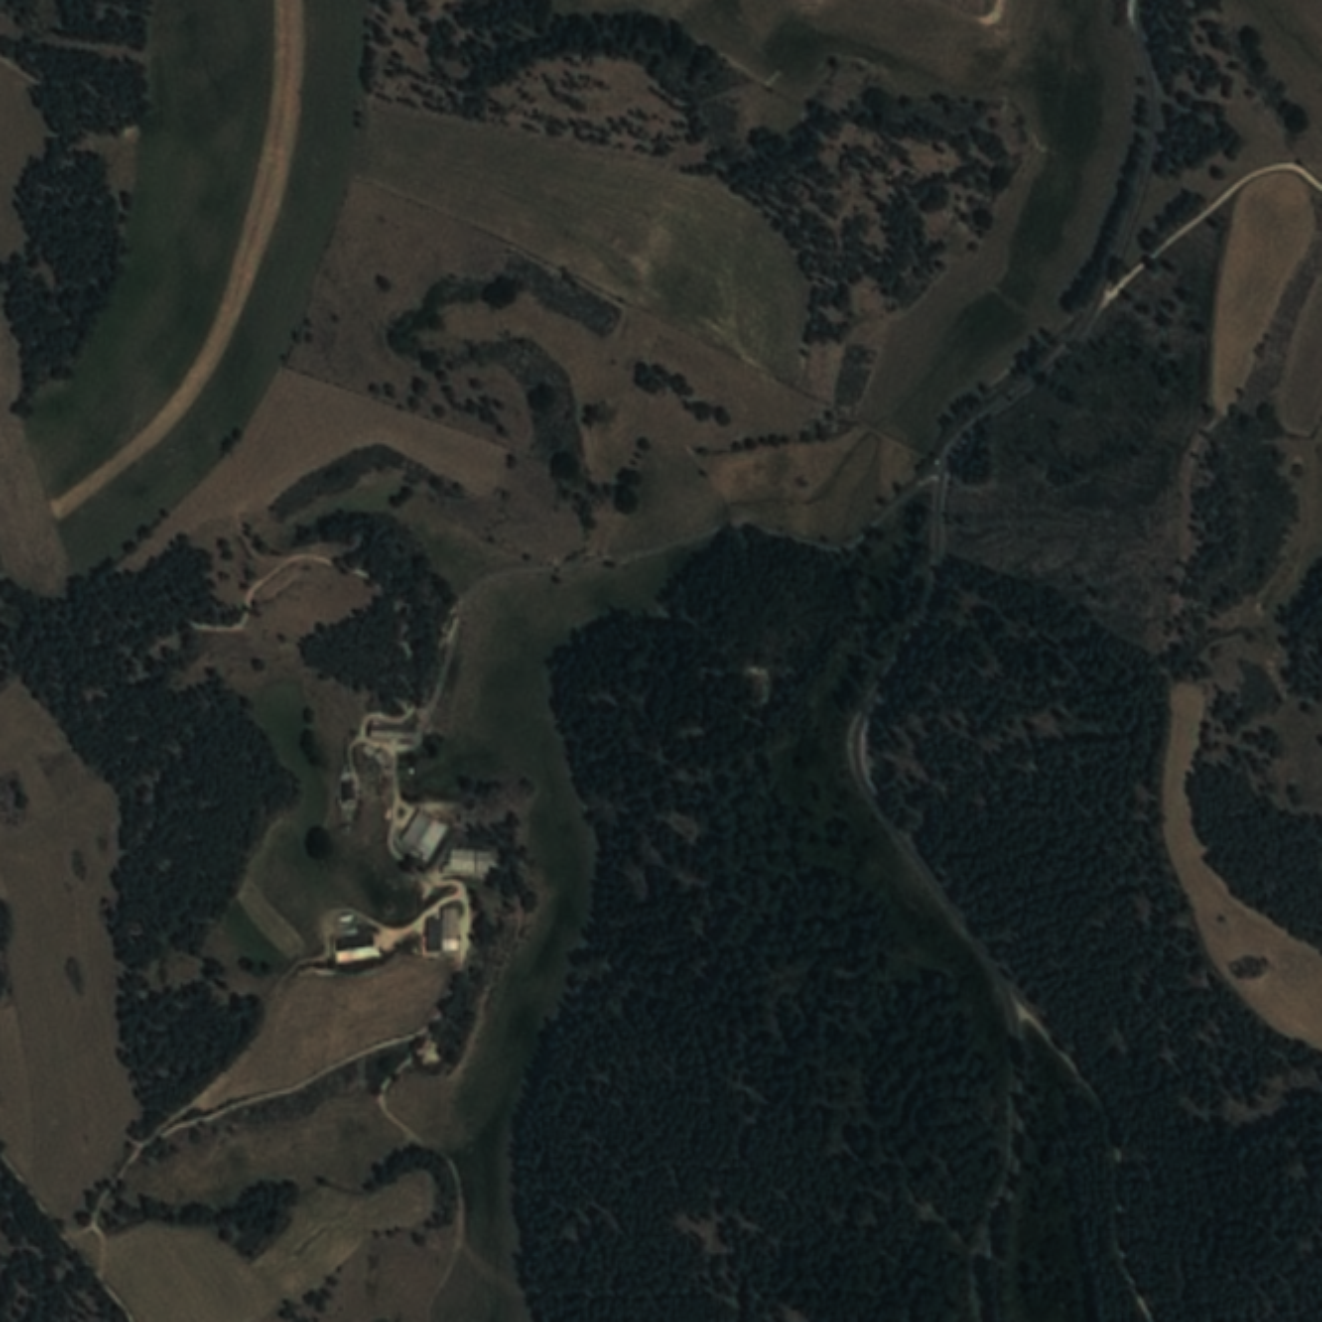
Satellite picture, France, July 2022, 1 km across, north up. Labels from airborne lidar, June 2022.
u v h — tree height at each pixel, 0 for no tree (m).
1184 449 0
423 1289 0
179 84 0
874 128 16
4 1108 0
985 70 0
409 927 0
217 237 0
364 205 0
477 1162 0
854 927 8
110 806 0
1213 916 0
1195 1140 20
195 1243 0
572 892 0
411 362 0
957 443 0
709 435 0
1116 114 0
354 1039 0
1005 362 0
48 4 0
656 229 0
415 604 21
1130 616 0
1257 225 0
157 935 20
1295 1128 22
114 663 17
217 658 0
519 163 0
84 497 0
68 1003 0
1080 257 0
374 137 0
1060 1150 15
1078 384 0
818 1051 34
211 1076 19
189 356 0
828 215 15
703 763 22
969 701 20
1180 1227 22
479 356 11
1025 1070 21
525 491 0
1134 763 23
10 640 13
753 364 0
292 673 0
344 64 0
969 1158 29
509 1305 0
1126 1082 21
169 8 0
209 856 15
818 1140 23
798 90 0
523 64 15
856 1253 29
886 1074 17
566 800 0
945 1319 37
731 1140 20
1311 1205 21
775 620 10
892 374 0
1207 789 19
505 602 0
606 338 0
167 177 0
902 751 19
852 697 24
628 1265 21
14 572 0
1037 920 19
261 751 17
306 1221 0
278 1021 0
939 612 25
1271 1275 20
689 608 18
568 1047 22
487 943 10
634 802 10
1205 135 16
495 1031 0
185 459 0
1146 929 21
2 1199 15
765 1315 21
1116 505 0
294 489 0
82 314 11
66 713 15
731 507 0
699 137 14
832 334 18
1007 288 0
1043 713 17
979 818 23
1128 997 17
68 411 0
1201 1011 19
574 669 20
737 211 0
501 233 0
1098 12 0
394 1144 0
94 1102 0
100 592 11
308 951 0
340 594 0
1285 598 0
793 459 0
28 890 0
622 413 0
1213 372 0
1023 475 0
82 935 0
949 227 0
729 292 0
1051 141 0
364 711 0
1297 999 0
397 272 0
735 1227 22
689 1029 25
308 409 0
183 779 21
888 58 0
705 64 16
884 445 0
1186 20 12
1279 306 0
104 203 10
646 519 0
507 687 0
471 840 12
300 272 0
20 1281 12
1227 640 0
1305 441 0
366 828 0
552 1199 17
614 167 0
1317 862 21
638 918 15
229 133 0
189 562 13
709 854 29
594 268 0
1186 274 0
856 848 6
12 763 0
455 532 0
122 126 9
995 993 0
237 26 0
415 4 12
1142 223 0
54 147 17
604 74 0
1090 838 23
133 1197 0
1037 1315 6
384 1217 0
